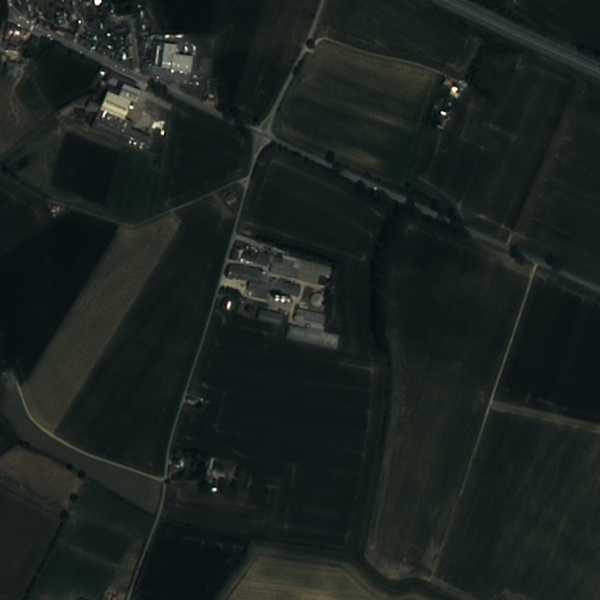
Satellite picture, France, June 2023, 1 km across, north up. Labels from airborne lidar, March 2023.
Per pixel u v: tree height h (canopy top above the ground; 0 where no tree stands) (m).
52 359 0
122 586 0
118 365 0
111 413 0
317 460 0
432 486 0
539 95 0
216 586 0
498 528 0
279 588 0
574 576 0
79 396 0
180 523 0
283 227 0
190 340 0
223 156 0
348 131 0
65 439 0
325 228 0
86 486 0
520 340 0
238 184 0
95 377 0
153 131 0
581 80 0
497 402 0
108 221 0
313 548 0
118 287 0
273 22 0
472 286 0
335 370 0
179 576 0
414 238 0
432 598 0
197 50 0
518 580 0
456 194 0
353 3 0
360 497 0
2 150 0
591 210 0
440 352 0
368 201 0
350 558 0
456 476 0
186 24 0
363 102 0
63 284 0
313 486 0
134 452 0
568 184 0
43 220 0
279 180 0
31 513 0
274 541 0
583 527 0
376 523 0
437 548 0
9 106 0
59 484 0
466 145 0
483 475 0
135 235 0
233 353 0
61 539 0
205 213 0
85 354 0
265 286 0
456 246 0
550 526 0
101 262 0
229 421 0
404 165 0
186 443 0
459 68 0
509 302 0
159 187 0
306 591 0
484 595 0
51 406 0
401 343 0
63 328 0
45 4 0
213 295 0
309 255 8
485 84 0
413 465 0
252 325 0
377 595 0
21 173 0
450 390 0
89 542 0
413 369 0
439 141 0
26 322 0
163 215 0
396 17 0
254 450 0
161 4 0
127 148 0
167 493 0
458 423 0
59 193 0
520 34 0
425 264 0
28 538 0
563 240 0
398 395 0
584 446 0
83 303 0
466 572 0
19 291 0
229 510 0
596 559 0
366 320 0
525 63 0
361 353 0
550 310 0
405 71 0
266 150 6
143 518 0
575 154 0
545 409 0
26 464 0
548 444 0
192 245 0
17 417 0
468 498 0
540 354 0
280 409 0
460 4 0
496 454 0
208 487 9
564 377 0
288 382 0
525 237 0
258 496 0
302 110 0
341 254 0
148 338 0
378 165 0
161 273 0
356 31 0
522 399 0
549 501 0
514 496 0
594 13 0
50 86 0
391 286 0
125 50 0
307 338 0
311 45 14
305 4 0
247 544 0
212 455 0
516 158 0
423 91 0
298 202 0
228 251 0
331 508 0
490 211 0
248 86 0
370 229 0
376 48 0
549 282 0
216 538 0
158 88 27
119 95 0
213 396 0
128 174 0
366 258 0
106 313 0
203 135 0
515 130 0
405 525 0
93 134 0
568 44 0
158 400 0
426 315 0
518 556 0
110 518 0
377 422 0
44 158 0
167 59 0
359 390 0
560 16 0
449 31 0
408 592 0
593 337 0
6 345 0
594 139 0
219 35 0
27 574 0
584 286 0
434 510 0
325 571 0
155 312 0
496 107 0
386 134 0
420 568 0
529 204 0
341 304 0
